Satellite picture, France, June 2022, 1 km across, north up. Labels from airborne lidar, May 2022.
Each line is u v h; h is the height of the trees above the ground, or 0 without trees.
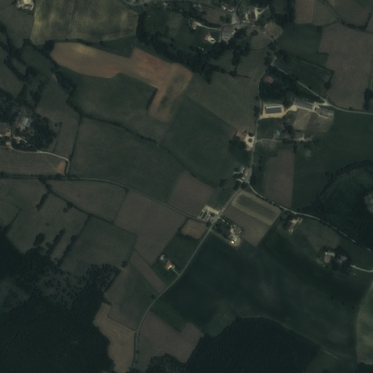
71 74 0
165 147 0
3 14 0
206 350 18
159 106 0
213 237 0
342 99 0
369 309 0
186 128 0
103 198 0
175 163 0
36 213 0
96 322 0
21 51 20
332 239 0
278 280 0
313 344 7
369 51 0
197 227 0
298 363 16
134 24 0
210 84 19
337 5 0
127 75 0
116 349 0
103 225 0
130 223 0
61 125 8
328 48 0
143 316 0
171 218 0
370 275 0
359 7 0
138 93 0
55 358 9
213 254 0
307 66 0
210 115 0
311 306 0
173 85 0
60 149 0
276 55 13
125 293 0
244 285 0
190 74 0
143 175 0
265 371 17
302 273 0
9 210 0
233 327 15
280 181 0
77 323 14
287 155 0
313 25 0
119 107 0
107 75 0
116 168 0
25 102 7
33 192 0
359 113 0
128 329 0
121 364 0
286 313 0
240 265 0
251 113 0
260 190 0
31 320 15
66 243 0
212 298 0
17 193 0
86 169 0
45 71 0
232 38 14
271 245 0
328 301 0
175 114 0
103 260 0
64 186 0
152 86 0
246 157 0
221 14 0
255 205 0
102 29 0
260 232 0
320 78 0
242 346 19
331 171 0
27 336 11
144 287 0
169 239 0
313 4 0
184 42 0
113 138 0
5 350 10
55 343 11
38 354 12
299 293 0
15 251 14
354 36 0
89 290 15
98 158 0
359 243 17
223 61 0
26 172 0
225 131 0
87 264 0
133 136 0
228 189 0
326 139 0
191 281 0
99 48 0
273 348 18
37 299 15
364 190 13
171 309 0
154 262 0
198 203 0
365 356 0
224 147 0
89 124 0
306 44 0
